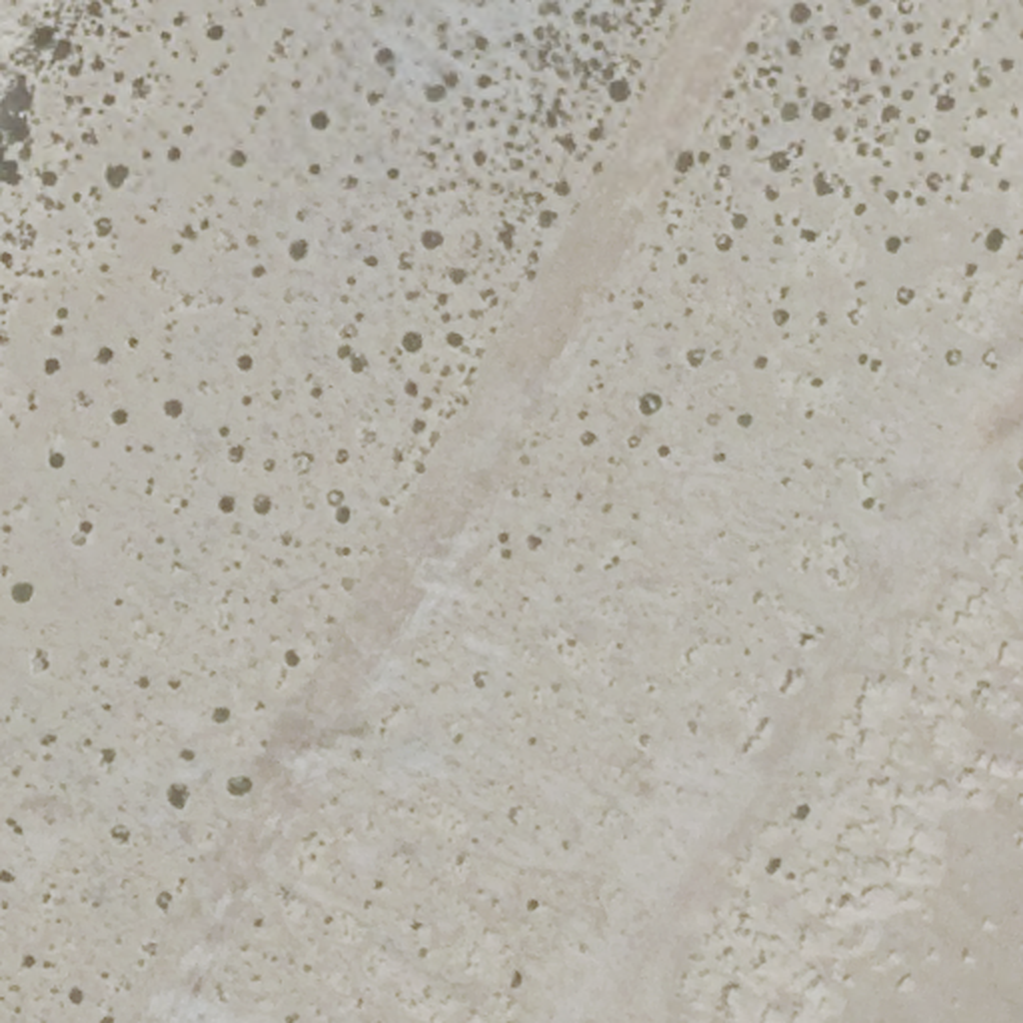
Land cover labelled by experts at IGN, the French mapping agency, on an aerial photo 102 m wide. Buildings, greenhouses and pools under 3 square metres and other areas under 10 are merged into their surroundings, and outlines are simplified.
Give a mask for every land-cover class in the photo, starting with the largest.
<instances>
[{"label":"bare soil","instance_id":"1","mask_svg":"<svg viewBox=\"0 0 1023 1023\"><path fill-rule=\"evenodd\" d=\"M0 1023H1023V0H0Z\"/></svg>","mask_w":1023,"mask_h":1023}]
</instances>
